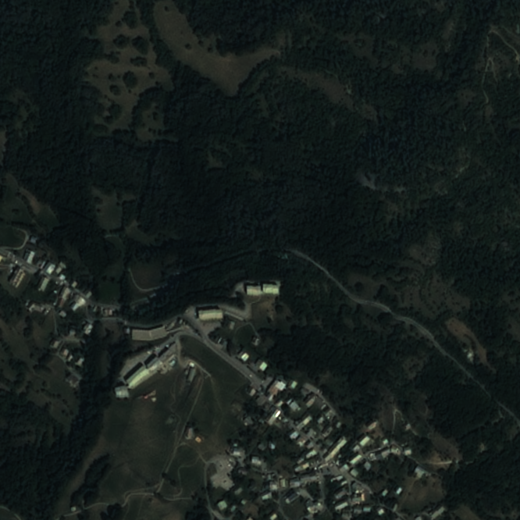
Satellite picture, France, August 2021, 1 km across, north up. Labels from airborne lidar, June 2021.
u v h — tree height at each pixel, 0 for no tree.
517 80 8
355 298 0
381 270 14
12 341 0
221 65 0
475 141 7
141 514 0
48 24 21
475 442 15
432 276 9
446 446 0
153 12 9
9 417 13
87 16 15
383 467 6
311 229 20
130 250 7
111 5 12
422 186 12
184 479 0
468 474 18
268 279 9
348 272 15
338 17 10
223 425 0
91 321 0
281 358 8
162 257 11
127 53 0
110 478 0
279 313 14
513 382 17
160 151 15
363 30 6
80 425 22
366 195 14
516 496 14
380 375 8
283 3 14
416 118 12
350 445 6
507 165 10
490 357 11
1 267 0
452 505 6
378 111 7
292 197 19
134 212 10
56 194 7
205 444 0
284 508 0
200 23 15
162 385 0
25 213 0
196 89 16
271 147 24
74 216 21
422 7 10
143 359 0
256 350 6
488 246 6
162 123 0
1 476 17
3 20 24
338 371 11
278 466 0
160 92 18
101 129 12
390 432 8
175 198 26
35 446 10
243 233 28
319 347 13
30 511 12
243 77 0
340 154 16
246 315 0
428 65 0
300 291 15
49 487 6
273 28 15
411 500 0
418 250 0
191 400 0
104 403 20
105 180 9
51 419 11
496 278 12
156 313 8
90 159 19
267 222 27
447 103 13
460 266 12
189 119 25
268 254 15
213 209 16
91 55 13
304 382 0
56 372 0
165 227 18
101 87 0
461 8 6
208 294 12
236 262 10
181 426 0
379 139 31
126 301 16
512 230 9
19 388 11
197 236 15
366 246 18
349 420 0
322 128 9
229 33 16
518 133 16
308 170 14
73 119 19
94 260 15
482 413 16
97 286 15
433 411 7
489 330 13
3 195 9
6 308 10
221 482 0
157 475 0
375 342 9
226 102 13
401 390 7
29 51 10
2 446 24
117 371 16
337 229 15
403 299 7
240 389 0
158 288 0
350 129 9
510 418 11
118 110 12
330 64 17
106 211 0
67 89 17
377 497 10
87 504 13
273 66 8
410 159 22
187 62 0
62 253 10
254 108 9
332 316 15
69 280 9
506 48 7
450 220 12
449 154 7
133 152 19
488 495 15
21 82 9
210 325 0
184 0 18
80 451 17
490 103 6
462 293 9
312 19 6
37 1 15
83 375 12
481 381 15
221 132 14
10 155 14
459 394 16
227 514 7
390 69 9
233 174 13
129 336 9
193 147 19
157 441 0
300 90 9
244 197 16
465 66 7
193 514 8
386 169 17
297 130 12
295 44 12
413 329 11
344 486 6
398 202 10
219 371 0
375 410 7
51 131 15
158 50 12
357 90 11
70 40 19
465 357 9
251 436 8
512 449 12
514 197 6
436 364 11
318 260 19
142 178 16
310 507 0
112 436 0
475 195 9
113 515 19
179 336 0
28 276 0
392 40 11
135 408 0
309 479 0
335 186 19
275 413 0
